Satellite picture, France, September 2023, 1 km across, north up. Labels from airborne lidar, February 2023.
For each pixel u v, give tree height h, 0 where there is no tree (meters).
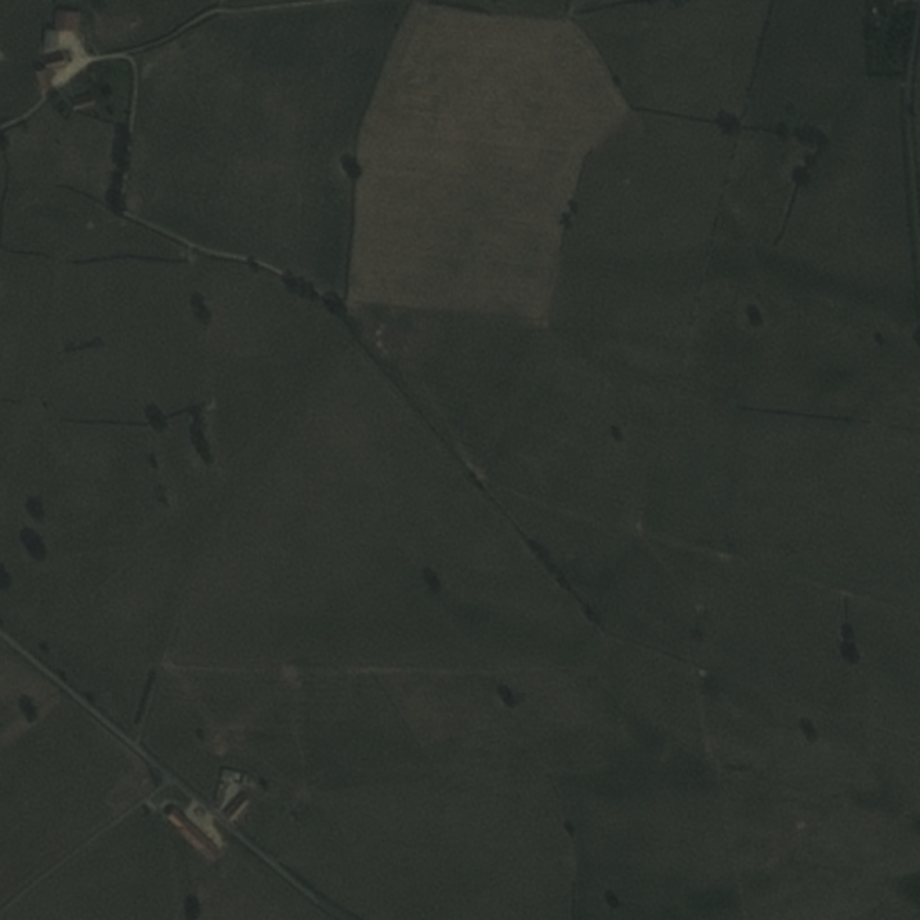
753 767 0
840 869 0
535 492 0
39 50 0
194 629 0
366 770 0
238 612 0
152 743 0
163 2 0
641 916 0
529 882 0
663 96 0
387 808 0
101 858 0
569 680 0
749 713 0
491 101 0
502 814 0
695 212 0
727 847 0
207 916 0
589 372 0
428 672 0
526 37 0
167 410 0
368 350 0
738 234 0
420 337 0
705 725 0
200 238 0
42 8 0
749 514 0
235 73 0
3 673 0
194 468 0
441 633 0
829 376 0
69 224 0
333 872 0
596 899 0
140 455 0
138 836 0
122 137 16
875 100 0
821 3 0
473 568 0
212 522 0
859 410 0
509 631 0
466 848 0
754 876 0
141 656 0
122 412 0
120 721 0
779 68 0
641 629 0
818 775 0
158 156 0
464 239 0
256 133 0
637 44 0
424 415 0
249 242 0
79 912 0
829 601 0
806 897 0
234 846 0
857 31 0
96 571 0
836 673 0
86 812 0
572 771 0
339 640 0
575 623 0
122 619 0
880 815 0
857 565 0
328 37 0
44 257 0
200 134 0
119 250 0
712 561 0
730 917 0
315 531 0
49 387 0
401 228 0
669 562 0
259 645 0
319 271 0
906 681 0
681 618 0
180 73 0
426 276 0
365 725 0
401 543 0
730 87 0
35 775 0
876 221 0
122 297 0
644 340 0
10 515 0
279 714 0
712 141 0
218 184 0
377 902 0
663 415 0
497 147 0
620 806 0
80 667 0
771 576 0
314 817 0
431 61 0
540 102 0
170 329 0
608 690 0
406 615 0
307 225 0
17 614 0
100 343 0
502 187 0
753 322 10
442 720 0
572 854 0
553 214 0
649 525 0
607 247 0
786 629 0
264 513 0
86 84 0
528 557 0
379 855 0
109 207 14
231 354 0
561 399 0
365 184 0
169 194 0
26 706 15
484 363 0
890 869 0
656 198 0
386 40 0
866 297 0
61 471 0
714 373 0
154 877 0
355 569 0
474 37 0
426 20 0
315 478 0
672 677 0
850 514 0
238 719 0
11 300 0
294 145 0
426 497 0
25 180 0
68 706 0
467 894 0
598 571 0
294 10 0
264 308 0
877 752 0
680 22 0
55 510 0
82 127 0
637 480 0
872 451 0
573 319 0
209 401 0
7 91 0
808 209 0
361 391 0
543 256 0
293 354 0
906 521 0
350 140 0
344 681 0
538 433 0
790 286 0
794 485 0
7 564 0
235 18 0
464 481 0
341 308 13
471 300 0
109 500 0
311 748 0
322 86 0
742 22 0
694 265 0
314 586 0
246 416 0
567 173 0
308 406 0
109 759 0
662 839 0
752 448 0
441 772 0
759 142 0
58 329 0
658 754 0
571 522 0
